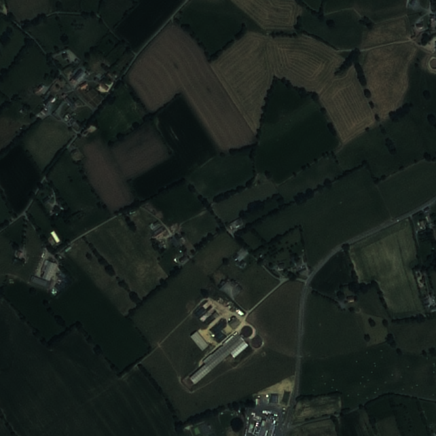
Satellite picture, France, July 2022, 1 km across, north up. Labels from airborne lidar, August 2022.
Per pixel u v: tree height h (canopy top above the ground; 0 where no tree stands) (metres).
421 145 0
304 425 0
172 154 11
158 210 0
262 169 0
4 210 0
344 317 0
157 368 0
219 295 0
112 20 0
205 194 0
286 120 0
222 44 0
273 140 0
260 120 6
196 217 0
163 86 0
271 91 12
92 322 0
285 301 0
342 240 0
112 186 0
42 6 0
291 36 7
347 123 0
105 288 0
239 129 0
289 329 0
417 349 0
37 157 0
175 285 0
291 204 6
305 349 0
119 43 8
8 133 0
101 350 19
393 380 0
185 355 0
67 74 0
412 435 0
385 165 0
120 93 0
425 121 0
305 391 0
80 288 0
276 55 0
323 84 0
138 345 0
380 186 0
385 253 0
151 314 0
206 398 0
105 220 0
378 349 0
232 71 0
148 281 0
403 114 16
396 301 0
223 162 0
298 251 0
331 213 0
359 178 0
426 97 13
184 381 0
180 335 0
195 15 0
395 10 0
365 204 0
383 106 0
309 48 0
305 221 0
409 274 0
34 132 0
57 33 0
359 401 0
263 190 0
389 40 0
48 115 0
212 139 0
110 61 0
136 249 0
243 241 15
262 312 0
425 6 0
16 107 0
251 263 5
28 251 0
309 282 0
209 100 0
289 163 0
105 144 0
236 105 0
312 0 0
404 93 0
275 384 0
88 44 0
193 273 0
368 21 9
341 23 0
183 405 0
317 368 0
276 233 0
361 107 0
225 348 0
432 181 0
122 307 0
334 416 6
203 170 0
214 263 0
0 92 8
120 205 0
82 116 0
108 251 0
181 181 12
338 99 0
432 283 9
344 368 0
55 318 11
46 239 15
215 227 0
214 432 0
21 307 0
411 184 0
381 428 0
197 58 0
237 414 0
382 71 0
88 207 0
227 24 0
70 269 0
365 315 0
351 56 14
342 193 0
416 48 0
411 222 7
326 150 0
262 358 0
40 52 7
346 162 0
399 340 0
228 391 0
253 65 0
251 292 0
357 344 0
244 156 0
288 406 0
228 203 0
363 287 19
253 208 25
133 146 0
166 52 0
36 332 14
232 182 0
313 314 0
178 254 0
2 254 0
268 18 0
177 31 0
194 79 0
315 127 0
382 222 0
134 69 0
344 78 0
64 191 0
